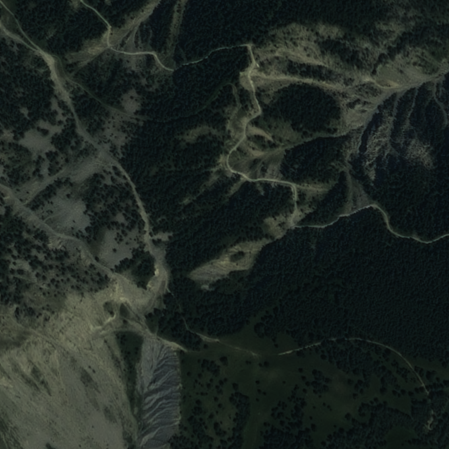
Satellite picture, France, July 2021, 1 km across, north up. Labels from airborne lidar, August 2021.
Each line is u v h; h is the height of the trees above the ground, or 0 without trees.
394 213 23
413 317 22
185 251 22
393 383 22
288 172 29
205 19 10
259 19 7
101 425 0
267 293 17
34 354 0
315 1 20
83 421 0
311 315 20
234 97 7
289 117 11
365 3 14
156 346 0
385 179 12
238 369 0
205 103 6
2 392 0
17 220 9
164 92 11
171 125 15
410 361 0
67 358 0
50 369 0
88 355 0
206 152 14
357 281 21
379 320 18
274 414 12
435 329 23
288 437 22
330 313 17
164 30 17
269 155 0
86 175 0
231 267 0
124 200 14
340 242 24
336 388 0
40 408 0
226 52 10
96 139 0
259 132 0
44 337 0
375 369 24
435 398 24
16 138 17
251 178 0
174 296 22
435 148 8
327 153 22
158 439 0
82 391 0
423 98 10
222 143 16
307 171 11
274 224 0
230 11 14
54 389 0
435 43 13
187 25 7
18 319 0
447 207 23
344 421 0
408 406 0
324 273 23
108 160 0
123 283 0
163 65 0
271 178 0
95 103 12
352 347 18
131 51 0
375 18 11
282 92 8
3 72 9
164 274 0
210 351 0
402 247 20
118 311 0
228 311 27
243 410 22
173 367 0
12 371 0
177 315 21
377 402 16
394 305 22
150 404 0
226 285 7
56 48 14
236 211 22
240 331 15
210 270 0
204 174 14
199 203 14
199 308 19
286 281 16
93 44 0
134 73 14
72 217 0
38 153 0
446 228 21
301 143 0
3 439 0
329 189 0
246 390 0
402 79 0
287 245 11
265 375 0
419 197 21
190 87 23
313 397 0
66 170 0
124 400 0
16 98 10
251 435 0
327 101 20
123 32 0
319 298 21
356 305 22
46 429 0
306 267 15
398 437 0
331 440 21
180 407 0
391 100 10
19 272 8
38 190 0
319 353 12
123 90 7
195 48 14
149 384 0
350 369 16
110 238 0
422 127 11
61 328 0
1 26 0
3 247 15
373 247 24
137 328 0
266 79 0
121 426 0
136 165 16
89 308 0
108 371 0
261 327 20
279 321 21
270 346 0
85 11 8
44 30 6
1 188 0
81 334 0
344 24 15
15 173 12
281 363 0
